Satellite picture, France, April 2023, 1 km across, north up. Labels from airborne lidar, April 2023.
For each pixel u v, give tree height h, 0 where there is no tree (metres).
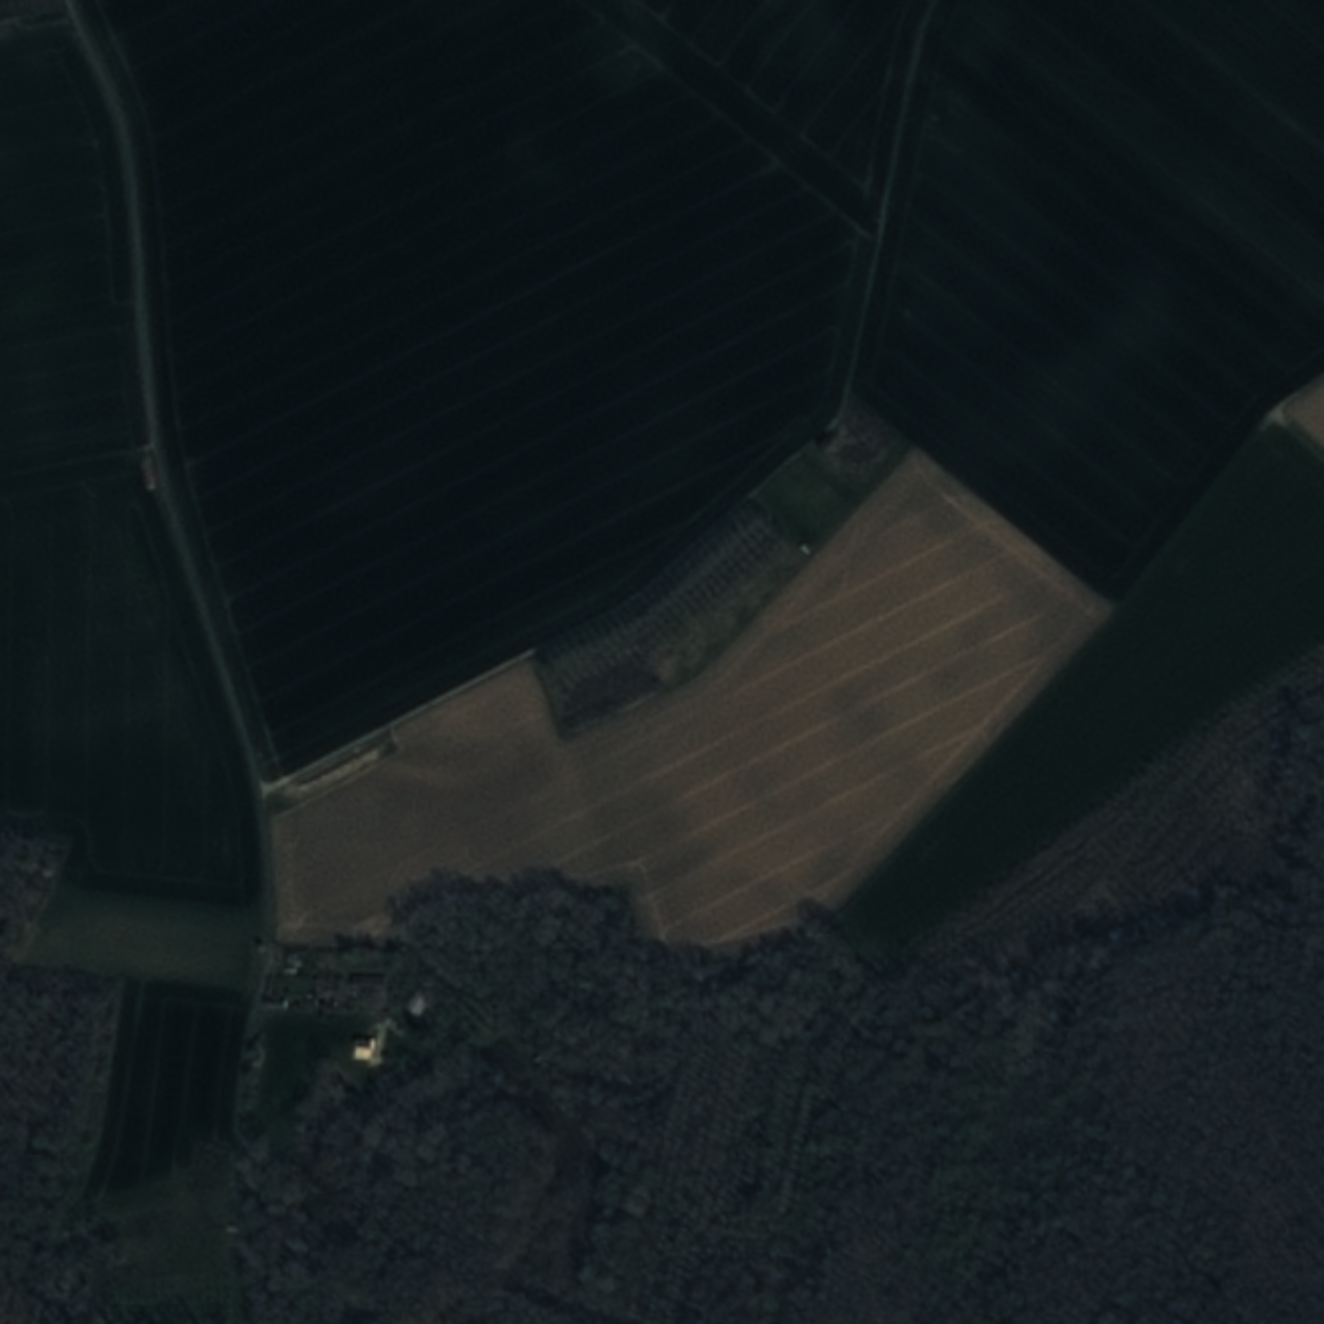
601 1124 27
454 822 0
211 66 0
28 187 0
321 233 0
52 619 0
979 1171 23
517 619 0
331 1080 32
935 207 0
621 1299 23
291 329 0
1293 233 0
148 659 0
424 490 0
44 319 0
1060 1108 22
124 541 0
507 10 0
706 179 0
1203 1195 28
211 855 0
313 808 0
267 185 0
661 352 0
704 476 0
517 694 0
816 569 0
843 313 0
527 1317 29
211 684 0
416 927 25
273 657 0
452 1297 25
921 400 0
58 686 0
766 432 0
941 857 0
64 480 0
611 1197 28
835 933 33
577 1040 39
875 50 0
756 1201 28
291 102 0
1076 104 0
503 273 0
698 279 0
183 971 0
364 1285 24
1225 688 0
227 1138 0
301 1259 20
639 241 0
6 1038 24
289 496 0
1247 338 0
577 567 0
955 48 0
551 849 0
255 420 0
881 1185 22
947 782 0
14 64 0
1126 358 0
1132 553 0
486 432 0
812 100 0
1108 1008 29
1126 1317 22
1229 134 0
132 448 0
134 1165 0
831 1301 32
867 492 0
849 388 0
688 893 0
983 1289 19
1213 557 0
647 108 0
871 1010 25
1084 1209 31
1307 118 0
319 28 0
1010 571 0
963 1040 21
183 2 0
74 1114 27
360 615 0
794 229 0
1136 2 0
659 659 26
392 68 0
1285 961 28
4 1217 22
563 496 0
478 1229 26
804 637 0
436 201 0
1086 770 0
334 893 0
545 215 0
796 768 0
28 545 0
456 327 0
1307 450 0
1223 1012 26
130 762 0
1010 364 0
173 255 0
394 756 0
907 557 0
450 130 0
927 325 0
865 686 0
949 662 0
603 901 12
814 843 0
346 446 0
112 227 0
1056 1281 32
